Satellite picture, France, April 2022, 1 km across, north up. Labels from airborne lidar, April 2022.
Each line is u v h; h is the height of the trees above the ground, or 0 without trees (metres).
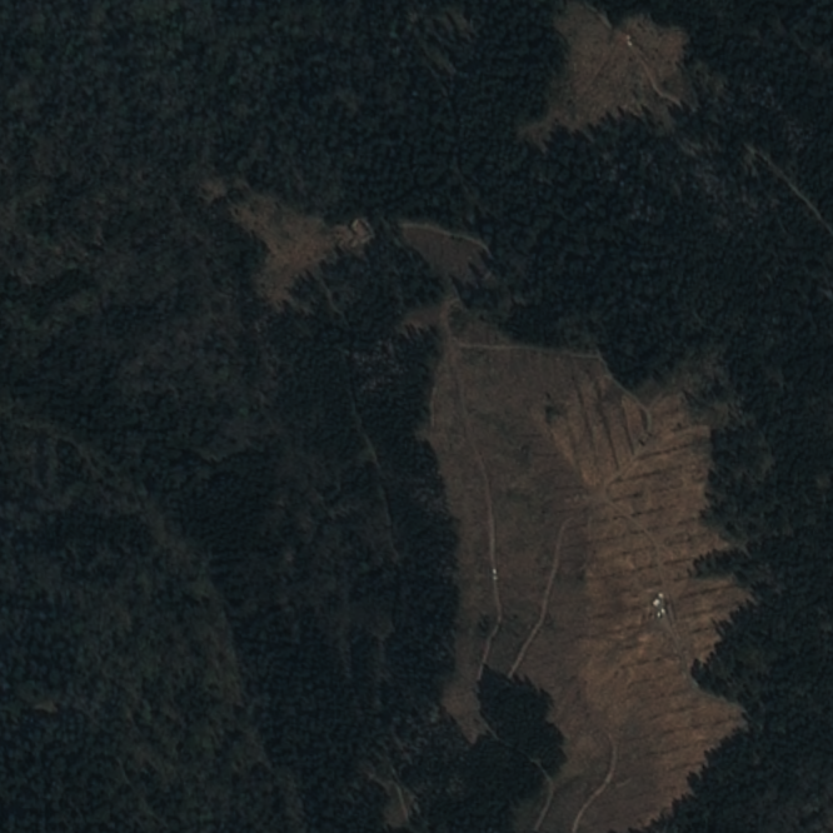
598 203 27
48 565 35
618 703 0
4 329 21
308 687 22
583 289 24
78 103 26
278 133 24
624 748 0
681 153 29
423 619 18
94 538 16
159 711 35
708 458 0
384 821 28
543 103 30
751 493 20
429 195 25
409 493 17
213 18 42
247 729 7
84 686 33
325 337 28
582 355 0
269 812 16
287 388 20
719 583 0
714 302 18
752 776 23
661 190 19
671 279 24
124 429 20
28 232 25
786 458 16
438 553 17
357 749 13
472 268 0
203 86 30
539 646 0
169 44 21
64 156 23
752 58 24
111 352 27
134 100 24
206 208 22
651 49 0
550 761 28
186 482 33
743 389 15
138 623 22
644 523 0
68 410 19
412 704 16
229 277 22
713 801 23
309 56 17
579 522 0
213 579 13
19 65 23
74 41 29
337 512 8
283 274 0
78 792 18
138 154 27
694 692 0
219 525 29
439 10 27
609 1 26
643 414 0
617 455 0
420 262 21
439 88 27
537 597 0
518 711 20
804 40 21
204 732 32
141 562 28
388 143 27
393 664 14
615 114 0
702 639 0
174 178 22
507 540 0
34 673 22
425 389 22
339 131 37
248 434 36
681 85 0
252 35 30
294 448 20
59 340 26
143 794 22
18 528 16
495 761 23
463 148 20
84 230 31
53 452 27
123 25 26
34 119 15
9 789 29
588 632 0
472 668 0
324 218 19
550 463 0
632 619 0
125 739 31
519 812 24
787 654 19
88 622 28
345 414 23
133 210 33
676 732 0
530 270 21
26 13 27
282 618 20
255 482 21
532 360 0
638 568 0
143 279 34
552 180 14
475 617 0
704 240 26
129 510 23
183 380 35
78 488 27
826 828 28
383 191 29
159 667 30
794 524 19
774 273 21
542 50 25
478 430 0
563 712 0
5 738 17
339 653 18
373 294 22
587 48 0
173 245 29
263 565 24
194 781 24
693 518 0
